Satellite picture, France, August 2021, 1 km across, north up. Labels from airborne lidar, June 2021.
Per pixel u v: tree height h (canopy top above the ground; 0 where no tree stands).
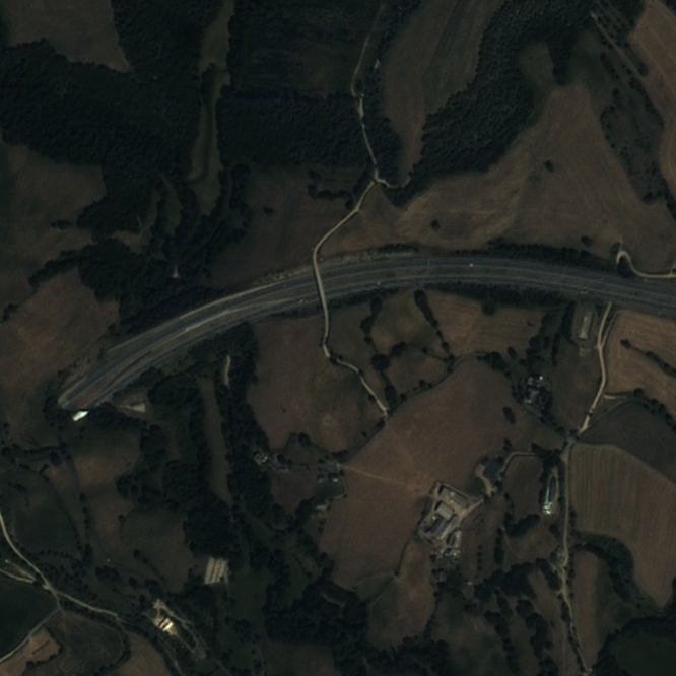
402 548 0
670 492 0
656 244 0
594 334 0
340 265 0
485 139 13
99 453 0
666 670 0
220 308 0
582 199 0
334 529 0
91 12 0
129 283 16
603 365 0
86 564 10
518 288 7
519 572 14
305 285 0
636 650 0
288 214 0
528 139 0
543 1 7
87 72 16
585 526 0
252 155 17
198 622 14
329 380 0
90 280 13
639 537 0
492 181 0
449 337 0
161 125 6
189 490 10
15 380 0
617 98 13
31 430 0
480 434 0
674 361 0
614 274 0
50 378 0
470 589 0
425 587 0
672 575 0
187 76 22
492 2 0
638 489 0
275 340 0
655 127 0
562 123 0
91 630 0
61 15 0
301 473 0
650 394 0
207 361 10
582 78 0
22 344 0
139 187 10
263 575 0
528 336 0
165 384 14
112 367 0
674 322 0
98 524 0
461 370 0
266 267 0
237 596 0
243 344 9
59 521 0
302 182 0
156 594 13
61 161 13
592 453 0
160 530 0
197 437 20
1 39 12
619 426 0
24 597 0
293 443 0
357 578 0
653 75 0
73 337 0
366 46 0
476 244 0
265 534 0
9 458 10
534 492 0
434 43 0
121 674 0
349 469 0
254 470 21
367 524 0
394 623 0
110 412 7
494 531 0
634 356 0
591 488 0
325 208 0
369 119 13
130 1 18
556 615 0
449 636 0
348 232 0
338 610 17
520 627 0
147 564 8
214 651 12
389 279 0
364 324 11
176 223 0
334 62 0
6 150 0
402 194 11
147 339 0
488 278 0
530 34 10
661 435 0
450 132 8
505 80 10
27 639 0
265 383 0
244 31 15
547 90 0
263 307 0
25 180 0
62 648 7
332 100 14
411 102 0
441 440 0
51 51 13
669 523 0
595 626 0
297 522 12
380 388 0
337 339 0
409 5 14
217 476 0
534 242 0
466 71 0
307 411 0
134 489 11
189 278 13
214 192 0
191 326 0
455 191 0
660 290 0
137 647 0
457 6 0
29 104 10
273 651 0
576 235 0
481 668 0
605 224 0
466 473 0
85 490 0
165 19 12
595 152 0
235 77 19
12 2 0
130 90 16
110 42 0
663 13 0
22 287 0
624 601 13
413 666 14
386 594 0
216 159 0
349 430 0
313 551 10
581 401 0
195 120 16
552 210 0
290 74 0
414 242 0
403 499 0
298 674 0
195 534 16
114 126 11
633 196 0
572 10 8
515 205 0
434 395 0
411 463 0
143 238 0
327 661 0
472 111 10
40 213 0
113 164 21
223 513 21
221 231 13
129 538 0
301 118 15
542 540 0
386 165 12
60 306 0
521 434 0
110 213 13
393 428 0
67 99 14
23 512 0
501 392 0
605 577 0
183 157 19
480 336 0
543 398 12
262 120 11
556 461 12
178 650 7
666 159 0
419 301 15
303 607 18
